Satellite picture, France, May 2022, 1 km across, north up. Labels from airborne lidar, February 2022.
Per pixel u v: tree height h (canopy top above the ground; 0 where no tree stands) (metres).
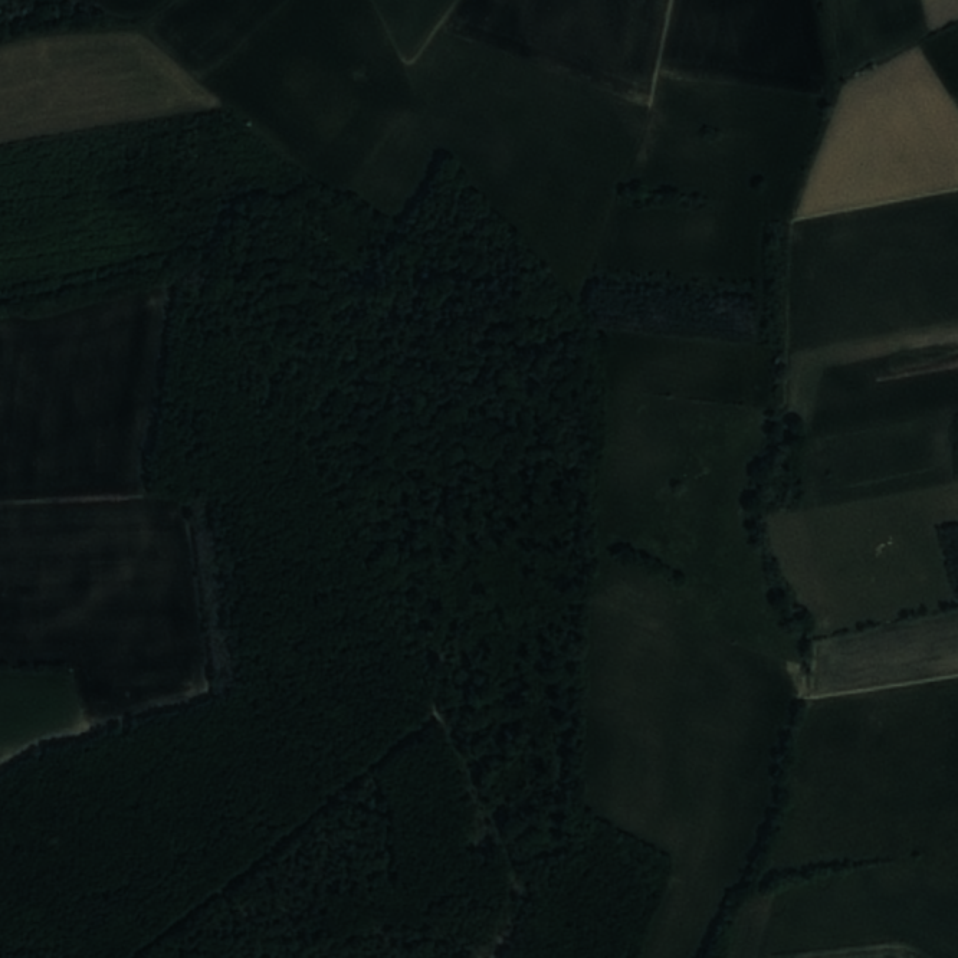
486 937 22
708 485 0
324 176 0
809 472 0
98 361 0
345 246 0
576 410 28
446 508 28
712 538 0
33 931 19
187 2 0
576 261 0
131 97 0
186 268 18
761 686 0
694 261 0
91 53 0
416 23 0
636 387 0
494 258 22
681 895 0
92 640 0
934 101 0
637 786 0
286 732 21
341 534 19
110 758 17
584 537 23
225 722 19
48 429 0
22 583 0
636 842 14
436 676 14
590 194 0
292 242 25
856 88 0
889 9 0
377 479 31
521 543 9
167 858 19
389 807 21
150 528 0
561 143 0
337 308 28
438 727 18
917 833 0
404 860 25
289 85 0
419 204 23
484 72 0
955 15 0
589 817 13
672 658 0
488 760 31
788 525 0
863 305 0
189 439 18
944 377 0
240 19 0
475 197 18
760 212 0
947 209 0
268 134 0
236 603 20
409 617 23
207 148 0
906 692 0
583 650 18
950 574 6
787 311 0
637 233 0
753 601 0
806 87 0
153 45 0
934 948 0
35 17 15
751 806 0
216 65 0
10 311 10
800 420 14
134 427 0
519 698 25
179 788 20
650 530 0
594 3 0
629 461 0
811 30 0
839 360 0
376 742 20
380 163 0
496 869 24
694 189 0
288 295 26
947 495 0
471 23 0
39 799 17
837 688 0
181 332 17
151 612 0
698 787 0
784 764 17
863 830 0
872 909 0
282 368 23
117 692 0
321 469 14
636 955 15
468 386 27
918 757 0
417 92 0
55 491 0
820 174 0
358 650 20
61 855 17
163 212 5
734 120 0
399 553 28
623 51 0
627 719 0
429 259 24
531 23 0
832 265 0
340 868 23
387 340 27
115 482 0
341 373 28
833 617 0
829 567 0
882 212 0
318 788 19
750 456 0
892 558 0
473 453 30
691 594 0
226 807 25
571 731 22
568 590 29
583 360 25
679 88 0
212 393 21
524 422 28
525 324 30
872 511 0
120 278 14
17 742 0
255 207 26
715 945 20
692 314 13
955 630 0
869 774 0
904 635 0
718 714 0
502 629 25
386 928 26
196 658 0
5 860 15
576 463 28
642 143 0
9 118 0
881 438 0
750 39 0
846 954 0
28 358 0
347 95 0
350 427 27
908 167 0
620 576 0
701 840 0
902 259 0
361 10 0
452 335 26
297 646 20
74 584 0
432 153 0
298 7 0
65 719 0
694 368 0
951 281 0
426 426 29
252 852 22
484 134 0
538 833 31
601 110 0
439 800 23
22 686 0
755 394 0
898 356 0
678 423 0
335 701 21
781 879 16
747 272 0
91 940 21
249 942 26
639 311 14
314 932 24
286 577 22
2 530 0
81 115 0
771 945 0
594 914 15
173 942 24
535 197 0
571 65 0
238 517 21
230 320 17
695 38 0
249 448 21
